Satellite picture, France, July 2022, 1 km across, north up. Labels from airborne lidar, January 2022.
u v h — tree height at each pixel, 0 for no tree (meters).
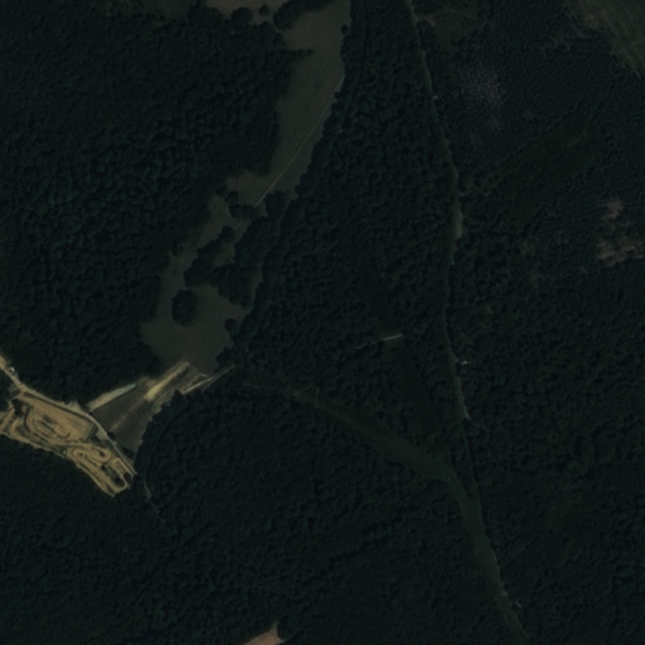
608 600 21
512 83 20
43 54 24
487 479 26
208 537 26
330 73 0
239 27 19
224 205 0
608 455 36
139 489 21
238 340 19
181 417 23
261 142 22
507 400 25
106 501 19
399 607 22
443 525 25
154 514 23
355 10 15
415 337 21
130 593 33
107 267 28
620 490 16
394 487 29
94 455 0
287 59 21
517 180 7
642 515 34
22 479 14
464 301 24
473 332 24
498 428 27
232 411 28
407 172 23
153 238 26
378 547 23
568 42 16
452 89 16
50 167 31
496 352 22
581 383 23
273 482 24
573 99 17
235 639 21
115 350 31
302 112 0
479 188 24
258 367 26
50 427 0
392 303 15
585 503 11
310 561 7
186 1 0
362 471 26
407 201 24
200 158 31
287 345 24
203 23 20
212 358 0
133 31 18
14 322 31
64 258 31
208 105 19
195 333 0
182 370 0
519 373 27
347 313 25
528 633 13
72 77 25
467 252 23
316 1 21
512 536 29
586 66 19
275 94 19
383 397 24
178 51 19
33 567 35
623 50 0
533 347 22
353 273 24
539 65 16
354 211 12
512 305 20
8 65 19
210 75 28
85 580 30
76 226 29
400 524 24
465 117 20
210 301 0
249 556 20
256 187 0
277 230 15
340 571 25
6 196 23
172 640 26
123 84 27
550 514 23
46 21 17
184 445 24
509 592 17
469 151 16
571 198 16
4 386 16
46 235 32
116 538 29
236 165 13
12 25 20
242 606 26
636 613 27
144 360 23
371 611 22
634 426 29
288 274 24
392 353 8
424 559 22
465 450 17
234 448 23
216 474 22
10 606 27
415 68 18
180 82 24
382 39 23
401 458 0
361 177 20
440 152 22
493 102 21
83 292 29
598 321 19
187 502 25
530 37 18
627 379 25
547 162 7
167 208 29
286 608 20
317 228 26
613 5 0
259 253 20
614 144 7
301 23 0
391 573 21
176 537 9
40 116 23
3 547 24
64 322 36
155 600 31
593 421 23
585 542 14
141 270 25
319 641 22
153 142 35
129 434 0
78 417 0
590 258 17
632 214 17
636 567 19
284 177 0
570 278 17
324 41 0
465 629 14
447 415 19
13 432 0
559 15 15
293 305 19
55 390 22
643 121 14
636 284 16
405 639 19
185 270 0
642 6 0
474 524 0
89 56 19
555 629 22
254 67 28
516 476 33
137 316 23
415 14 8
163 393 0
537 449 32
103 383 26
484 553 0
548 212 8
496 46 20
